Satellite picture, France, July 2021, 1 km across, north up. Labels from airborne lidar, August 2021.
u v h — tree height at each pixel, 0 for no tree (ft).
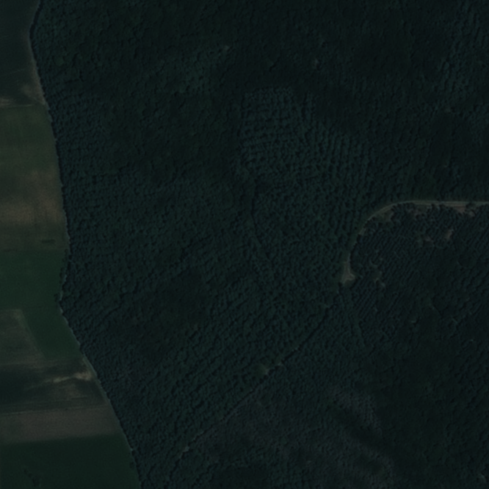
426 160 54
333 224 77
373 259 65
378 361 77
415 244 71
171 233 93
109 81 68
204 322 69
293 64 84
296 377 75
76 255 74
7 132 0
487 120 87
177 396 93
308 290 98
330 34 73
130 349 95
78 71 75
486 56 85
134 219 80
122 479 0
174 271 88
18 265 0
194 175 81
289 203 89
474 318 71
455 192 78
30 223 0
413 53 91
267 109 91
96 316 98
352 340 97
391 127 57
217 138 79
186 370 90
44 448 0
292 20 77
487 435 67
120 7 83
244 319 75
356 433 96
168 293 47
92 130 87
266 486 75
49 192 0
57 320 0
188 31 81
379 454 65
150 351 73
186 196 90
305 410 86
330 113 70
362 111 51
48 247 0
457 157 72
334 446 70
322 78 93
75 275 81
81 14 75
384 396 94
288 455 72
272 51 84
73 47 78
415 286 57
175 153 83
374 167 85
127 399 67
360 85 72
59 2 72
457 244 53
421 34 85
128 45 94
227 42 89
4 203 0
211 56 86
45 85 77
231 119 92
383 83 60
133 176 76
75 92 105
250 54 92
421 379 90
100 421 0
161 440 61
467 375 56
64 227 0
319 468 81
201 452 72
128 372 62
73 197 90
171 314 37
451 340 76
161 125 59
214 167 96
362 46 49
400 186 53
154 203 94
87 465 0
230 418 66
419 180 65
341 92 80
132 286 73
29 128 0
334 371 92
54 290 0
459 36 94
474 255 70
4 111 0
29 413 0
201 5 82
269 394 57
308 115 91
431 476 81
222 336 79
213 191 96
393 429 68
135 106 61
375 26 86
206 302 95
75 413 0
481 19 79
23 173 0
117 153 57
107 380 79
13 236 0
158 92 87
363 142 85
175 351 100
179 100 106
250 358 103
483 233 25
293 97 100
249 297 84
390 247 64
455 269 65
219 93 94
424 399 89
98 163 92
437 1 84
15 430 0
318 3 73
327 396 88
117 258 109
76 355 0
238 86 85
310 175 77
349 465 59
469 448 97
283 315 104
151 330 59
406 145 78
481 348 58
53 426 0
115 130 48
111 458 0
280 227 84
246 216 80
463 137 79
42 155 0
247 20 66
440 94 93
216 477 83
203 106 103
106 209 66
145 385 80
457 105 79
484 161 74
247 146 106
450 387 97
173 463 54
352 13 94
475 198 56
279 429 72
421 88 81
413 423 92
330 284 97
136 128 56
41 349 0
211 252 86
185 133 89
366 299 69
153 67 76
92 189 103
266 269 86
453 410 89
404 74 80
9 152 0
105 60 51
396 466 73
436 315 74
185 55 87
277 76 80
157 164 92
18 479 0
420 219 61
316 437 85
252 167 94
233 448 65
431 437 81
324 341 92
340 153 92
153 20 113
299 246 83
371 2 69
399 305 67
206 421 47
